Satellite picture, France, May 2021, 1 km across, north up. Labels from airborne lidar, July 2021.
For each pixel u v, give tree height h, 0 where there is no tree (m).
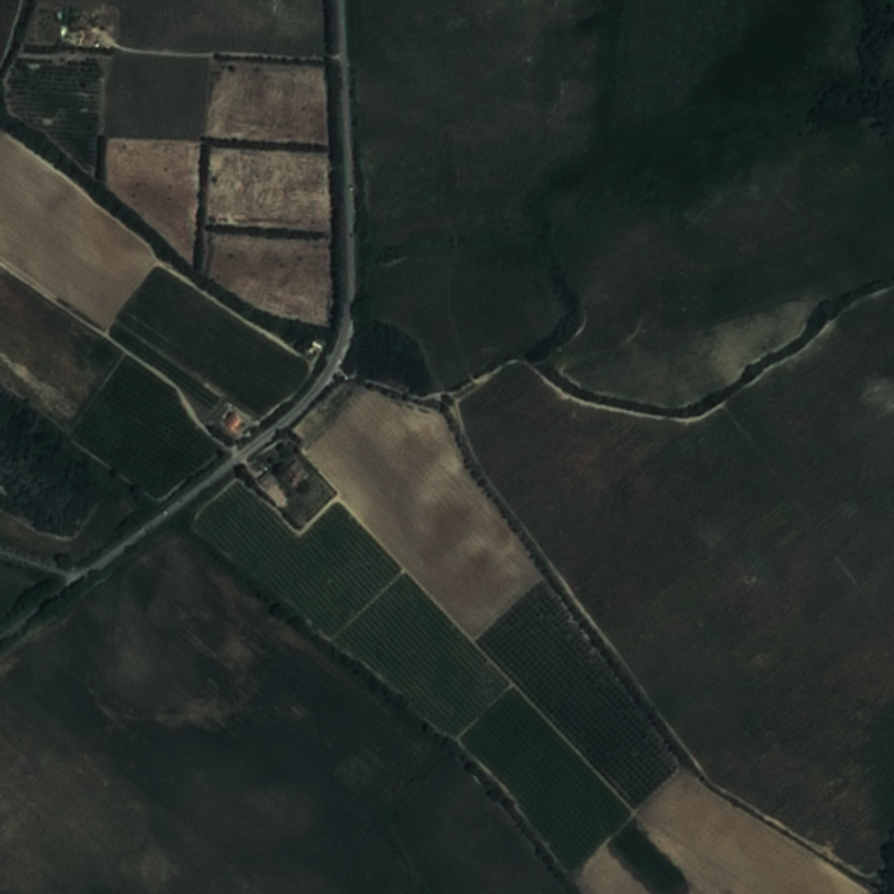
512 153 0
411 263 0
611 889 0
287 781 0
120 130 0
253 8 0
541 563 9
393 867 0
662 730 11
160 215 0
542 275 0
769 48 0
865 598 0
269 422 8
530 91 0
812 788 0
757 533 0
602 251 0
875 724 0
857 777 0
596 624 0
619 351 0
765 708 0
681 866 0
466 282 0
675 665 0
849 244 0
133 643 0
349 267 0
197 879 0
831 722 0
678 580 0
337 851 0
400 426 0
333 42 14
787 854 0
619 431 0
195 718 0
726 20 0
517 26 0
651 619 0
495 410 0
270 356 0
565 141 0
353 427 0
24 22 8
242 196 0
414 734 0
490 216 0
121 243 0
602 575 0
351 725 0
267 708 0
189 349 0
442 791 0
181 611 0
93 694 0
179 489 6
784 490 0
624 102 0
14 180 0
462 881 0
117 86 0
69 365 0
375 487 0
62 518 5
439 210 0
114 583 0
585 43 0
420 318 0
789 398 0
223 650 0
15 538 0
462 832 0
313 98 0
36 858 0
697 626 0
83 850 0
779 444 0
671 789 0
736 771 0
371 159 0
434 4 0
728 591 0
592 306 0
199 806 0
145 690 0
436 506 0
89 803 0
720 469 0
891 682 0
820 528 0
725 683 0
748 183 0
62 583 6
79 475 9
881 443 0
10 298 0
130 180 0
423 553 0
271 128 0
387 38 0
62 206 0
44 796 0
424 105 0
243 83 0
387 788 0
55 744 0
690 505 0
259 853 0
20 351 0
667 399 0
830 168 0
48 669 0
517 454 0
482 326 0
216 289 10
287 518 12
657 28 0
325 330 11
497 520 0
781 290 0
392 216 0
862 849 0
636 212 0
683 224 0
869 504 0
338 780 0
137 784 0
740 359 0
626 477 0
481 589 0
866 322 0
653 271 0
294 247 0
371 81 0
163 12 0
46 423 8
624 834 0
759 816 0
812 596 0
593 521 0
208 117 0
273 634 0
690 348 0
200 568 0
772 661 0
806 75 0
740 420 0
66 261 0
